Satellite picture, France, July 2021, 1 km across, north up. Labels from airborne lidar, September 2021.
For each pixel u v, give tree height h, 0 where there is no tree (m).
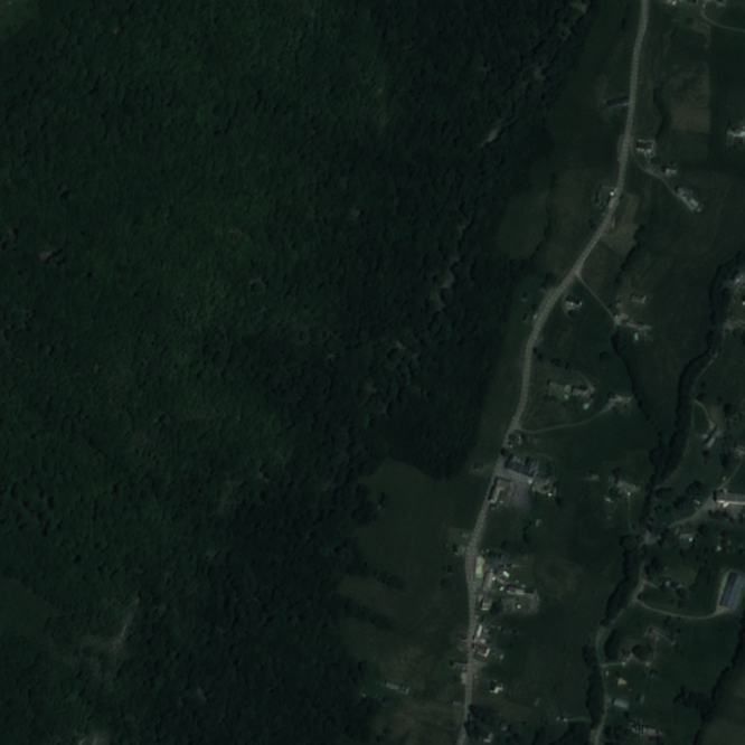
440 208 27
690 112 0
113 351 23
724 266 14
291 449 30
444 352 33
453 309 22
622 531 0
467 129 26
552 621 0
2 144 29
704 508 0
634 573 19
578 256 0
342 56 28
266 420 21
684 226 0
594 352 0
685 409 17
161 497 25
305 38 19
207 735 28
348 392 23
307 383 18
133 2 24
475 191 20
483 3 21
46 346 22
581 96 0
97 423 28
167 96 26
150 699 29
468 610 0
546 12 19
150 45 19
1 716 9
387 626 17
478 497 0
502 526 0
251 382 26
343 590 0
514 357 0
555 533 0
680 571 0
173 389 25
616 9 0
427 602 0
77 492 27
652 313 0
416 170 30
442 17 24
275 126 25
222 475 24
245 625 33
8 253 29
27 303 22
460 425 27
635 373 8
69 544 33
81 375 21
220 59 25
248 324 18
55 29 6
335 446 22
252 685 23
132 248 23
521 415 0
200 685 26
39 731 16
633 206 0
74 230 26
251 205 19
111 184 27
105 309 25
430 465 30
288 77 26
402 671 0
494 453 0
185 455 28
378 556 0
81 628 20
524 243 0
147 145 25
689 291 0
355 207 28
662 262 0
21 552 27
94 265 36
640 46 0
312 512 17
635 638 0
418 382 35
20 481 8
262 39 20
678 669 0
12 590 0
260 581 30
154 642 29
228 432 19
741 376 0
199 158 23
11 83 17
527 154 26
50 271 29
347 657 32
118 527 30
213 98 28
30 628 0
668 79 0
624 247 0
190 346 16
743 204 0
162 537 32
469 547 0
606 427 0
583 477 0
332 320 26
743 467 0
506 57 26
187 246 19
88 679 15
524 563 0
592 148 0
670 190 0
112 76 22
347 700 36
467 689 0
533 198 0
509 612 0
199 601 23
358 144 25
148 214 23
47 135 27
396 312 30
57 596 23
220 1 23
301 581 35
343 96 26
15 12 0
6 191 33
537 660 0
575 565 0
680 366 0
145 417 21
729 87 0
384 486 0
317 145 33
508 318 22
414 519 0
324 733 26
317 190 23
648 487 7
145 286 25
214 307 13
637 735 0
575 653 0
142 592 30
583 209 0
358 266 18
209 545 28
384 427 22
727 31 0
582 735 18
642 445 0
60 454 22
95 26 17
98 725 18
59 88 22
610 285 0
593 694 18
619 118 0
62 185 28
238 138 19
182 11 28
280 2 17
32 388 18
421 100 32
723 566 0
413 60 34
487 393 12
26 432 34
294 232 26
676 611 0
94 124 28
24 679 18
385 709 0
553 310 0
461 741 0
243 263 22
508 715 0
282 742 28
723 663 0
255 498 9
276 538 28
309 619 38
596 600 0
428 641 0
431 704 0
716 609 0
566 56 31
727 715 0
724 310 16
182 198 26
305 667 31
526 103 29
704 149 0
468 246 27
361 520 17
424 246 27
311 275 23
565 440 0
